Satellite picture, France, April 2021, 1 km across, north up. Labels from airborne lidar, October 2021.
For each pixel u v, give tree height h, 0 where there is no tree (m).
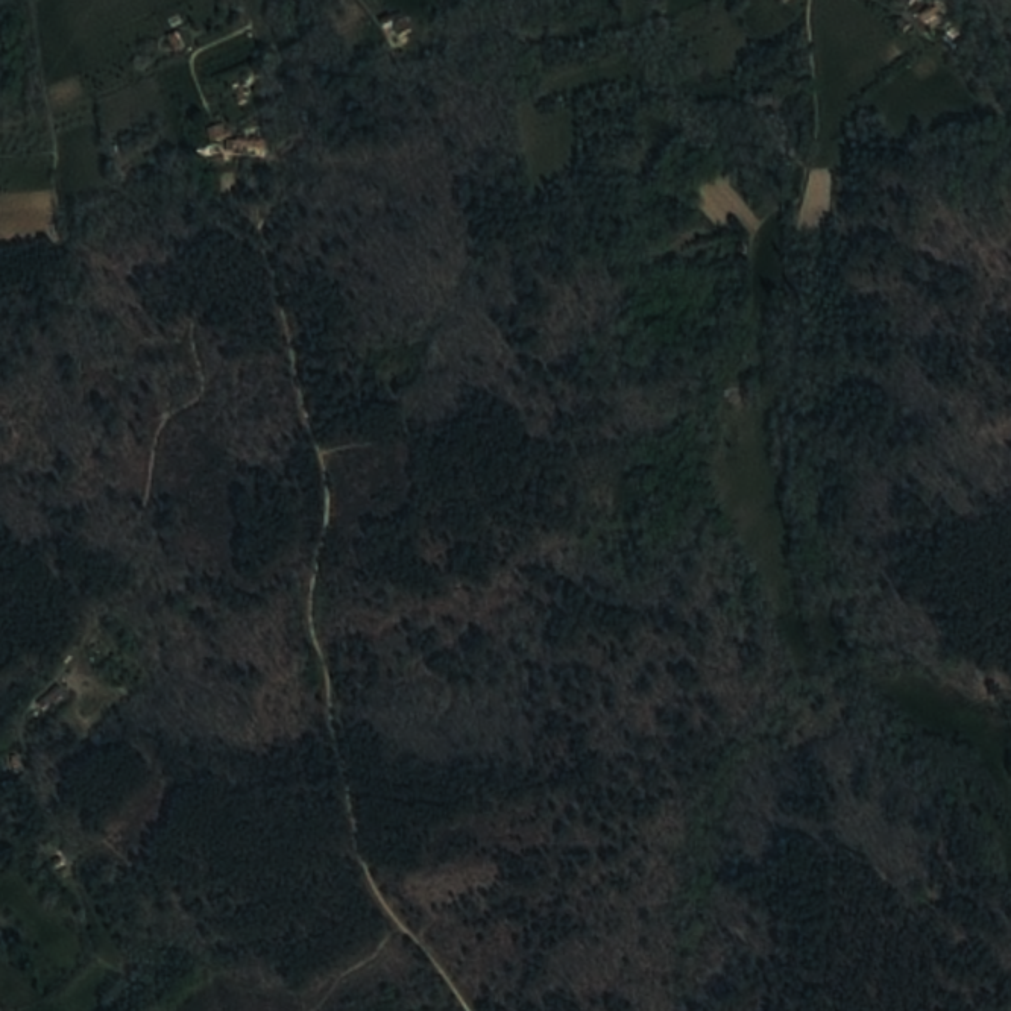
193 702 15
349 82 19
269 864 26
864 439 18
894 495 15
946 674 24
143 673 10
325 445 19
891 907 25
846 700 18
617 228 8
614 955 13
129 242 17
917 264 17
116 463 7
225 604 19
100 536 14
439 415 13
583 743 15
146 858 16
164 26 0
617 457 22
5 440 16
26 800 25
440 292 17
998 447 13
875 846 14
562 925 13
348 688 12
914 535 6
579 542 14
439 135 12
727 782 22
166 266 8
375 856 20
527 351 25
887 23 6
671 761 25
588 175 13
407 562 21
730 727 16
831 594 22
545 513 22
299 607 15
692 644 28
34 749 10
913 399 16
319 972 28
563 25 13
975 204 20
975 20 25
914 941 20
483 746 15
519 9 23
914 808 19
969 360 19
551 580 16
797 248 16
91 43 0
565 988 11
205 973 19
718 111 18
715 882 10
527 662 24
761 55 19
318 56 22
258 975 21
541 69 20
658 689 13
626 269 19
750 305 17
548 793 21
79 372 20
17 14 20
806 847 23
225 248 23
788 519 16
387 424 25
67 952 0
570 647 24
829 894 22
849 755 12
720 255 10
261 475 10
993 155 22
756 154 17
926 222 15
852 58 0
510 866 15
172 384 12
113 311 14
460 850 9
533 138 0
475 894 0
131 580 23
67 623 21
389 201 9
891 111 0
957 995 8
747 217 0
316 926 26
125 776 23
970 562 23
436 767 14
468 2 20
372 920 22
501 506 19
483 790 15
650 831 11
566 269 29
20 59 12
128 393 14
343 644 16
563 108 11
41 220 0
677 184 22
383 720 13
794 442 20
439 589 18
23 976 24
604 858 7
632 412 15
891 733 25
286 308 19
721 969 9
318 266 11
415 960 7
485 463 16
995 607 22
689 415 20
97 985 0
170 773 13
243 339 19
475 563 22
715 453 22
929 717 0
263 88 20
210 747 13
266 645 14
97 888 24
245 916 13
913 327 12
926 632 15
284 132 15
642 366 21
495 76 24
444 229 16
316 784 15
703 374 27
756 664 28
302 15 19
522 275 13
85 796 22
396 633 8
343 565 8
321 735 10
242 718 12
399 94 21
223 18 10
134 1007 25
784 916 24
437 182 8
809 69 14
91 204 17
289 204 6
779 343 23
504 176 16
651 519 20
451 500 24
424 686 12
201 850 24
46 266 19
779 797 12
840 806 18
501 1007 7
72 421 17
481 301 14
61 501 10
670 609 17
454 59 20
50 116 14
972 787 15
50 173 7
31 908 0
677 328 16
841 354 19
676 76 22
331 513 6
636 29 12
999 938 30
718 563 20
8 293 16
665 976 7
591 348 22
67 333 18
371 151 28
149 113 0
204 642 11
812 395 21
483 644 28
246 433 14
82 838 16
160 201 17
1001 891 23
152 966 24
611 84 10
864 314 21
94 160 0
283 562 20
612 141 11
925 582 23
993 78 25
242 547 18
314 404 17
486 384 13
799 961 21
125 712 11
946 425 18
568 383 27
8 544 20
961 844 22
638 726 13
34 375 14
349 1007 12
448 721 15
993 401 9
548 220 21
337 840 25
